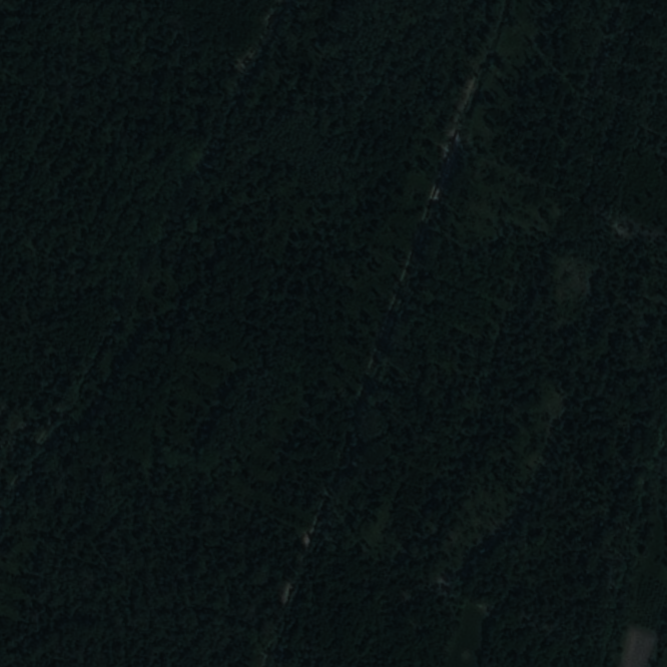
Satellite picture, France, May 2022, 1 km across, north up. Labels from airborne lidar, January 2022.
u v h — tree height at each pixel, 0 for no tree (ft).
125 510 90
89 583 50
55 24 63
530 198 24
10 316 87
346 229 87
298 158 61
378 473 87
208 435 86
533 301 85
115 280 53
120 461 68
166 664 63
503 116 22
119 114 73
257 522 57
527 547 85
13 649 24
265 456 0
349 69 104
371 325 74
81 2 64
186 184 122
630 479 86
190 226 99
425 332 0
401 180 84
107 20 84
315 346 74
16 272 75
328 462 86
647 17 64
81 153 73
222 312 75
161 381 94
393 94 82
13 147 0
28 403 31
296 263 34
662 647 24
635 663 0
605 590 52
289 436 0
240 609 118
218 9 57
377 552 38
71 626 94
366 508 46
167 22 85
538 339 82
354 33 96
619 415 69
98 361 43
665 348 75
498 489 23
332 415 80
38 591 117
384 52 108
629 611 59
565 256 73
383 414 94
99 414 84
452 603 43
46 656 59
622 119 68
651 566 0
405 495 33
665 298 94
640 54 60
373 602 74
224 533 55
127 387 94
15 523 127
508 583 99
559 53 92
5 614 0
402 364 122
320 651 63
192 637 62
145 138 94
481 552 32
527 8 0
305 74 96
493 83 0
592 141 66
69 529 22
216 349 96
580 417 23
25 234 81
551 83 87
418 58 76
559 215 39
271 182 87
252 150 77
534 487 26
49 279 73
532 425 90
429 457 74
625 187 25
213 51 71
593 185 67
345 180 80
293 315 98
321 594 75
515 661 76
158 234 55
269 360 82
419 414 89
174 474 75
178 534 97
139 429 93
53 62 45
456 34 52
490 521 39
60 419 80
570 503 87
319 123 94
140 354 93
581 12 78
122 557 94
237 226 47
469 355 73
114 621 103
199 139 90
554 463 92
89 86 89
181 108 71
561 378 51
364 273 23
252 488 46
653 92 70
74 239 0
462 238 32
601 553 82
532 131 66
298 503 50
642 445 78
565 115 79
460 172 123
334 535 94
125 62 85
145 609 106
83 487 98
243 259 81
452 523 87
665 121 49
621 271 34
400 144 83
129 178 50
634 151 34
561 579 23
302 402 0
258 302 78
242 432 85
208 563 64
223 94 102
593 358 45
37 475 67
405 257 83
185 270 98
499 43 0
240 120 88
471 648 0
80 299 63
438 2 80
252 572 106
